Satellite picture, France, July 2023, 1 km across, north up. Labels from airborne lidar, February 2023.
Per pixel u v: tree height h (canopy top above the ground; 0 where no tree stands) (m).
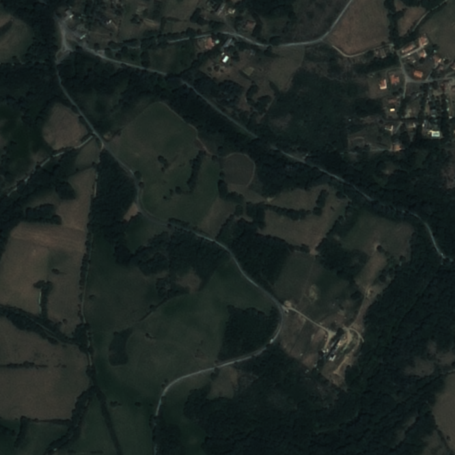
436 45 9
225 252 14
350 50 0
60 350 0
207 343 0
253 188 0
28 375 0
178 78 32
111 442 0
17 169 0
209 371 0
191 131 0
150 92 13
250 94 13
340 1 0
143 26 0
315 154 7
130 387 0
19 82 11
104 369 0
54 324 11
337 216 0
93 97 0
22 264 0
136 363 0
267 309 0
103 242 0
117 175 9
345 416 16
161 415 7
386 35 0
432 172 8
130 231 0
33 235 0
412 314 15
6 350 0
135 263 17
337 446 9
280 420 9
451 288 15
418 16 0
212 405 15
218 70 7
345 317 0
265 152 21
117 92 0
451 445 0
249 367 7
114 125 0
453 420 0
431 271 14
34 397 0
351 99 0
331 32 0
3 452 0
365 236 0
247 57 0
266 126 6
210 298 0
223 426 15
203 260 9
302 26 0
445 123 20
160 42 14
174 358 0
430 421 18
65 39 0
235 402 6
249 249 11
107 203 14
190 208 0
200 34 11
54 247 0
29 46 0
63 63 9
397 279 14
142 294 0
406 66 0
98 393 10
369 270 0
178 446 14
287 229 0
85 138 6
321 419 17
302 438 20
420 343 13
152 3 0
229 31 0
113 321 0
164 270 11
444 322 12
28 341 0
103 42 0
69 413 0
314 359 0
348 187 17
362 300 0
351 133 15
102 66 6
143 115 0
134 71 7
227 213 0
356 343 0
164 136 0
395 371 13
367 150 11
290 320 0
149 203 0
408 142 12
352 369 14
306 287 0
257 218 8
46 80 13
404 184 24
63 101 9
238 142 18
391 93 0
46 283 8
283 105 6
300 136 9
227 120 8
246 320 6
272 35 0
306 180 7
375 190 25
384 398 16
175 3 0
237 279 0
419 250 17
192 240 15
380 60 8
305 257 0
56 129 0
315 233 0
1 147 0
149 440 0
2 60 0
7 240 7
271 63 0
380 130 8
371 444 14
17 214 11
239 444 19
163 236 7
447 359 0
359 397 16
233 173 0
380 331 11
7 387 0
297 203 0
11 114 0
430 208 27
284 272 0
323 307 0
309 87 0
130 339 0
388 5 14
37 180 17
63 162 20
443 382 10
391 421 12
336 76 0
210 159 0
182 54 0
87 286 0
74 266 0
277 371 14
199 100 17
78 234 0
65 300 0
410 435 14
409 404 6
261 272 7
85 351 10
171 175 0
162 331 0
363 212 0
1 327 0
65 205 0
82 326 11
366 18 0
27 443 0
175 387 0
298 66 0
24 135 0
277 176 18
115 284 0
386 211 19
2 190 0
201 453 0
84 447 0
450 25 0
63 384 0
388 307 9
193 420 12
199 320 0
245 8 18
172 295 13
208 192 0
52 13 23
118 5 8
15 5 9
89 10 20
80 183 0
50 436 0
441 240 10
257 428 10
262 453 14
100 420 0
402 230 0
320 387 0
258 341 7
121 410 0
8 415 0
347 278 14
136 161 0
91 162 0
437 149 9
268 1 8
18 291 0
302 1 0
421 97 7
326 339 0
